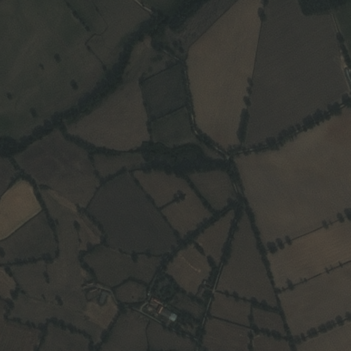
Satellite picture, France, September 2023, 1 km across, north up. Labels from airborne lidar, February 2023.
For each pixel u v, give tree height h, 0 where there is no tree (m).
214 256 0
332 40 0
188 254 0
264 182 0
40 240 0
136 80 0
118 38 0
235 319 0
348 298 0
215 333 0
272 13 0
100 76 0
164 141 0
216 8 0
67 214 0
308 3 18
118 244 0
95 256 0
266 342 0
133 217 0
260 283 0
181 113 0
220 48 0
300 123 0
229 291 0
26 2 0
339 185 0
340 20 0
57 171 0
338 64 0
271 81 0
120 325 0
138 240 0
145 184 0
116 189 0
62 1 0
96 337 0
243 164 0
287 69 0
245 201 14
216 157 0
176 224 0
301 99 0
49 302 0
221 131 0
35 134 18
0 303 0
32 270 0
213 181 0
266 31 0
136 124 0
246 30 0
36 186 15
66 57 0
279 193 0
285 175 0
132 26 0
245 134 15
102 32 0
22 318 0
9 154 16
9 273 10
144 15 0
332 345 0
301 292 0
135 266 0
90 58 0
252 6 0
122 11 0
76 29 0
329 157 0
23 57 0
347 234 0
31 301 0
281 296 0
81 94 0
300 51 0
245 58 0
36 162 0
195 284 0
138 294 0
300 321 0
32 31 0
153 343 0
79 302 0
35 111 15
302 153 0
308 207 0
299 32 0
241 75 0
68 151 0
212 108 0
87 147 16
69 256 0
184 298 0
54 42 0
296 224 0
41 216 0
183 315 16
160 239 0
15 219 0
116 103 0
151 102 0
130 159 0
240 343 0
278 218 0
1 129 0
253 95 0
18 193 0
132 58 0
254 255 0
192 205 0
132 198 0
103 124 0
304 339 11
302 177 0
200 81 0
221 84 0
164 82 0
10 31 0
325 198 0
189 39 0
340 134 0
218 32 0
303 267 0
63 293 0
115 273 0
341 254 0
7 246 0
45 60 0
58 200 0
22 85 0
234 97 0
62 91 0
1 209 0
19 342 0
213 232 0
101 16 0
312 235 0
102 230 19
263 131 0
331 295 0
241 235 0
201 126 0
